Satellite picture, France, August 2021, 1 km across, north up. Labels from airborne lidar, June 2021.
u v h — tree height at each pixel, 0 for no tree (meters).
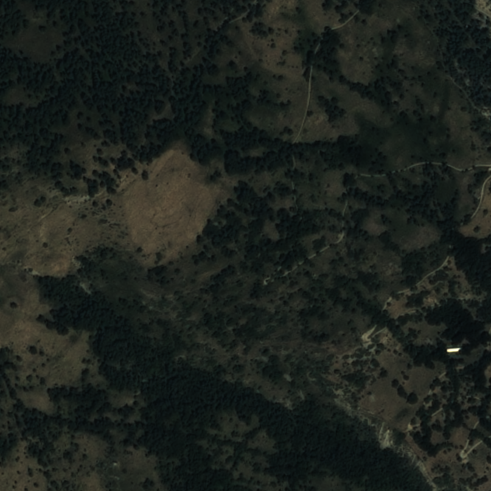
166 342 6
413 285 10
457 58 12
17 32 17
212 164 0
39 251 0
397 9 0
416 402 10
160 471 6
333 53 13
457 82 9
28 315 0
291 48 0
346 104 0
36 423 14
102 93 22
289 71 0
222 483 16
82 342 0
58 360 0
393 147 0
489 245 13
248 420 10
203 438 10
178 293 7
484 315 18
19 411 19
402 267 6
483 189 0
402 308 0
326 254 0
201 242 17
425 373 0
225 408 8
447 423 12
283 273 15
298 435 15
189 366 11
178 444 14
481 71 16
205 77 20
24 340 0
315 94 0
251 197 15
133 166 19
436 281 7
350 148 8
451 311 19
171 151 0
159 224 0
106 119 14
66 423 16
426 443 12
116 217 0
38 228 0
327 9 14
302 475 14
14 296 0
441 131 0
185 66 20
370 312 11
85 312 23
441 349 14
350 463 11
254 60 0
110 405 15
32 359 0
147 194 0
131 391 6
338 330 0
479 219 0
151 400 8
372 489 9
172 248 0
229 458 8
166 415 21
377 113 0
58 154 14
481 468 0
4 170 14
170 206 0
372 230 0
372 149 0
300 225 13
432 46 0
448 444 7
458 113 0
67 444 0
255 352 0
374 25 0
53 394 14
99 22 18
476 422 0
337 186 0
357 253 8
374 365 6
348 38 0
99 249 9
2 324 0
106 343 26
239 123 14
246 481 8
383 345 9
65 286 13
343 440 10
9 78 22
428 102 0
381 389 0
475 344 16
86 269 6
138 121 23
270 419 11
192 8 0
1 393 8
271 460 12
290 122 0
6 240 0
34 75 15
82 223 0
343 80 15
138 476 0
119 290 0
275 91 0
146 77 20
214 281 10
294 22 0
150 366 6
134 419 0
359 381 10
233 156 27
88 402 11
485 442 10
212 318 10
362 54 0
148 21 0
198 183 0
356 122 0
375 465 19
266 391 0
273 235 0
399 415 0
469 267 15
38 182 0
